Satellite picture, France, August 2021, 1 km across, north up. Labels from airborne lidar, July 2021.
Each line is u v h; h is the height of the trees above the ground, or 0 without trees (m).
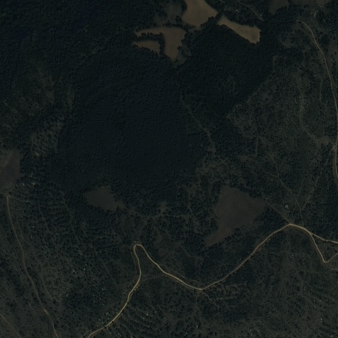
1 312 0
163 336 0
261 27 12
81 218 10
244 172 6
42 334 0
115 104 10
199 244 12
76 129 11
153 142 15
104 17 10
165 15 11
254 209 0
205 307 6
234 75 5
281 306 7
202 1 0
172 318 0
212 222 6
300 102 0
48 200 10
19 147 9
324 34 8
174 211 11
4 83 7
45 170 11
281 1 0
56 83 6
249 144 6
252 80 6
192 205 9
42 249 9
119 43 13
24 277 0
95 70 9
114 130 13
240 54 6
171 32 0
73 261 9
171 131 16
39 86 6
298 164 6
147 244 8
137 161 15
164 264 0
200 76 15
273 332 0
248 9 9
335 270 0
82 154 10
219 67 10
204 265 7
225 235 0
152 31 0
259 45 11
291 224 0
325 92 7
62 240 9
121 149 13
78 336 0
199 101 13
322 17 9
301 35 6
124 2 8
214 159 7
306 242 6
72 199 10
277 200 7
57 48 9
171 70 14
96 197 0
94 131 15
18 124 9
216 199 10
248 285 6
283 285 0
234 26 0
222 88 9
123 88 11
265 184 6
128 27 11
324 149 7
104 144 15
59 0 12
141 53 13
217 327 0
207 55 8
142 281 0
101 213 14
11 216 0
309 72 8
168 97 16
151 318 10
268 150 7
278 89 6
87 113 9
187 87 6
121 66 12
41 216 11
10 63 8
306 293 0
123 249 0
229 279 8
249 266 8
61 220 8
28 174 12
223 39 7
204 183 6
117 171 14
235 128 7
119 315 0
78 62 9
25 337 0
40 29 6
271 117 7
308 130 0
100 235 10
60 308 0
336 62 7
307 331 0
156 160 13
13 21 7
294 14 7
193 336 10
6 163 0
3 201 0
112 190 11
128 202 10
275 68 6
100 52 10
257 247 0
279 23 7
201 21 0
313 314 0
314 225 9
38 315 0
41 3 5
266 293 7
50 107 7
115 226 9
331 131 10
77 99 8
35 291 0
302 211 7
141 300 6
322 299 7
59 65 11
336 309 0
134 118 17
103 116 13
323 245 0
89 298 13
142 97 18
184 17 0
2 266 10
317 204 8
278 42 11
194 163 8
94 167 11
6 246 0
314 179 8
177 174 10
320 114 6
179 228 10
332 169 9
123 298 0
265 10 10
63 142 11
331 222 7
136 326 12
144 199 10
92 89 8
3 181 0
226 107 11
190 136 12
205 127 6
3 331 0
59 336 0
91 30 10
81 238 6
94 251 8
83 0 8
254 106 6
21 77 7
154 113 14
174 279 0
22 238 0
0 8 12
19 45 7
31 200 13
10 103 6
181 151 14
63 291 0
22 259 0
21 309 0
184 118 13
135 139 15
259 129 8
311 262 0
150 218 7
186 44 9
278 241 6
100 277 7
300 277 0
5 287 0
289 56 6
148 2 12
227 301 7
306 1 0
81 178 10
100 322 0
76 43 12
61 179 11
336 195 7
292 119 0
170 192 13
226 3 8
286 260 0
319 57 0
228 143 8
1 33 7
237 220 0
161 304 6
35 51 7
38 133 11
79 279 13
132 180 12
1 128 8
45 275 0
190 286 0
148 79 15
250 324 0
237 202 0
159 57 15
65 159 9
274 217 7
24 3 7
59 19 6
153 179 12
